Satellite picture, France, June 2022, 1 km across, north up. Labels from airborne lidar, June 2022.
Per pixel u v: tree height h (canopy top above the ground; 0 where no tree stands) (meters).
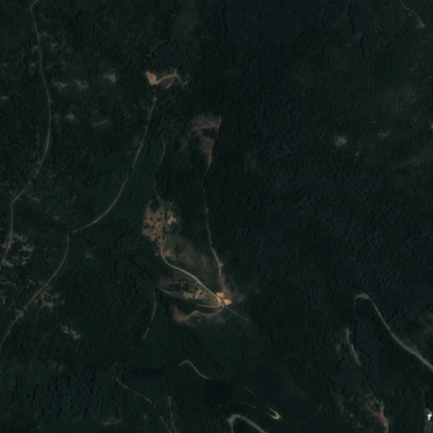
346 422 7
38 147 13
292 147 17
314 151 13
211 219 19
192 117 12
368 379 16
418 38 7
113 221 7
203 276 0
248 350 12
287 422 10
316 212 14
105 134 11
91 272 9
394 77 6
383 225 16
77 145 11
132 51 10
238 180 28
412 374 11
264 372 12
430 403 14
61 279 6
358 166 10
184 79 6
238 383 13
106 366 19
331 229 15
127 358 14
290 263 19
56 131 6
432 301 32
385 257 11
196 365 8
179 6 6
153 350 13
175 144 10
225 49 18
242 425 16
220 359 7
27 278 16
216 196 23
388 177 6
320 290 23
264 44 20
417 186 7
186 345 9
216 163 15
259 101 13
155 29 9
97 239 8
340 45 7
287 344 11
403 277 15
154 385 14
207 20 11
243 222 24
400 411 10
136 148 7
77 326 7
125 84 11
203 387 13
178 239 0
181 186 18
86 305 14
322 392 9
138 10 15
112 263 6
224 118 10
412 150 6
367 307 21
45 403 25
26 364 8
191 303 6
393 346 12
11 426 7
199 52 8
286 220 21
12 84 10
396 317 24
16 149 14
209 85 15
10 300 14
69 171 13
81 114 8
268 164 7
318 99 8
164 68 24
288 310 12
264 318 14
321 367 15
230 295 0
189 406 10
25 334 10
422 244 18
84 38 26
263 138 10
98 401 22
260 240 21
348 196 18
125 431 13
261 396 12
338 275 21
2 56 11
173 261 0
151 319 10
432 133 9
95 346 9
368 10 20
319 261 14
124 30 12
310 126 9
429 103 9
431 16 7
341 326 11
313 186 27
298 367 10
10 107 9
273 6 24
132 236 23
